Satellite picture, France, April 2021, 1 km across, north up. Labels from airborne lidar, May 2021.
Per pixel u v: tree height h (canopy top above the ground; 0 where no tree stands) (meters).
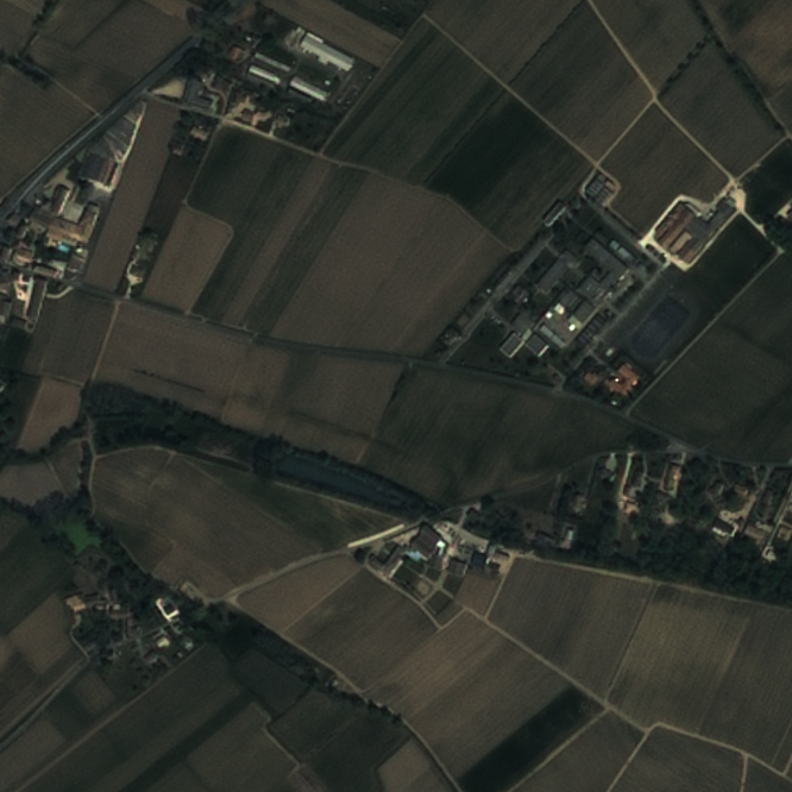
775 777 0
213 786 0
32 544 0
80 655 0
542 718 0
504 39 0
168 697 0
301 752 0
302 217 0
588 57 0
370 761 0
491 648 0
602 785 0
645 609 0
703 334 0
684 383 0
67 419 0
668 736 0
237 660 0
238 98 0
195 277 0
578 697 0
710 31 12
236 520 0
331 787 0
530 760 0
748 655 0
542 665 0
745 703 0
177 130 13
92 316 0
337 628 0
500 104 0
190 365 0
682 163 0
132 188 0
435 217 0
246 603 0
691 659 0
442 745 0
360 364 0
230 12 16
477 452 0
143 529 0
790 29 0
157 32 0
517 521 20
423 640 0
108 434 0
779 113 0
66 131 0
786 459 0
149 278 0
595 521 0
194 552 0
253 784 0
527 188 0
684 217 0
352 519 0
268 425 0
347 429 0
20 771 0
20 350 0
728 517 0
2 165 0
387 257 0
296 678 0
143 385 0
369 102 0
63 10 0
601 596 0
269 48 10
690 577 11
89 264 0
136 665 6
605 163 0
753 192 0
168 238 0
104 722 0
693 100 0
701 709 0
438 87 0
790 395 0
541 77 0
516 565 0
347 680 0
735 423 0
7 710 0
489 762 0
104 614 10
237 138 0
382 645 0
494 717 0
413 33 0
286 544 0
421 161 0
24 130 0
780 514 0
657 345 0
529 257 0
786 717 0
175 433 8
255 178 0
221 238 0
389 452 0
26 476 0
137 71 0
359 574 0
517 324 0
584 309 0
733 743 0
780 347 0
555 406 0
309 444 0
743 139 0
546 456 0
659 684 0
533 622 0
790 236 16
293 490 0
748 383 0
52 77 0
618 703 0
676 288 0
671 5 0
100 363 0
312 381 0
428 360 0
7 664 0
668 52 0
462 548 0
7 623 0
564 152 0
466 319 0
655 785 0
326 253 0
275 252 0
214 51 7
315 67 0
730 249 0
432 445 0
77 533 0
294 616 0
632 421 0
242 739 0
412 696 0
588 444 0
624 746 0
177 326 0
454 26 0
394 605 0
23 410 0
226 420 0
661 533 19
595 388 0
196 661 0
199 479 0
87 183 6
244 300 0
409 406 0
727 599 0
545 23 0
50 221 0
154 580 13
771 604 0
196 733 0
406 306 0
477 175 0
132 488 0
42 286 0
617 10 0
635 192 0
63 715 0
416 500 13
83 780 0
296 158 0
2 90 0
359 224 0
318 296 0
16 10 0
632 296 11
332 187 0
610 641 0
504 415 0
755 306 0
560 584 0
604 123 0
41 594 0
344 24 0
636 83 0
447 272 0
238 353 0
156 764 0
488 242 0
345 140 0
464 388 0
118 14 0
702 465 12
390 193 0
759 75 0
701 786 0
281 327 0
